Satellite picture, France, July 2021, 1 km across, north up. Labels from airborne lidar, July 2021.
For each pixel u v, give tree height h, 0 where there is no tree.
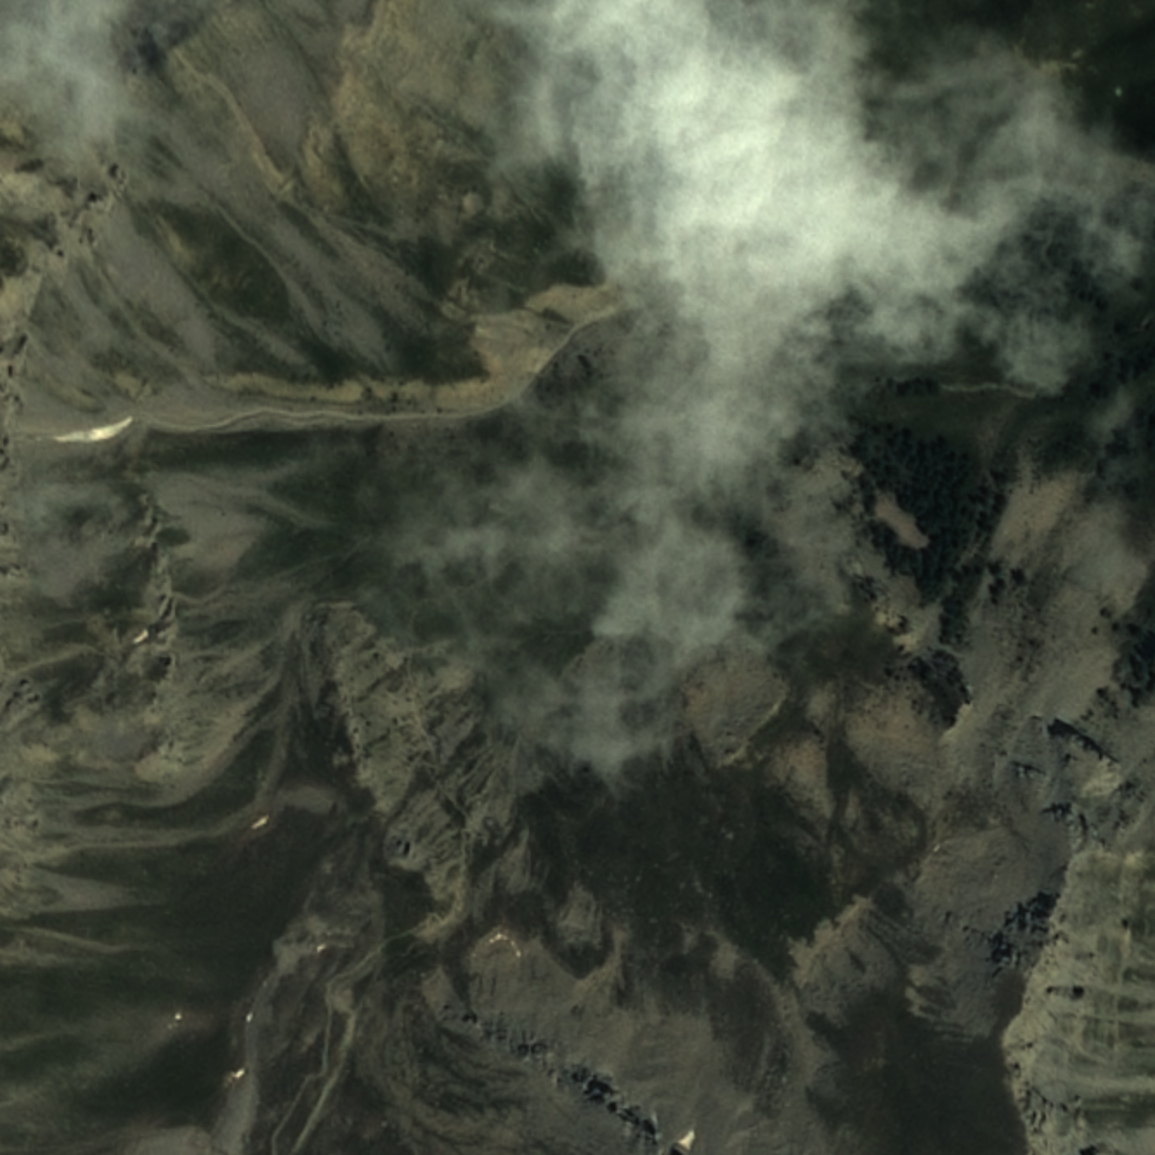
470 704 0
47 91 0
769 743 0
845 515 7
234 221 0
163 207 0
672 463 0
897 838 0
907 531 0
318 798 0
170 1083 0
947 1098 0
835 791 0
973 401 0
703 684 0
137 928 0
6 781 0
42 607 0
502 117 0
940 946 0
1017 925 0
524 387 0
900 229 0
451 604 0
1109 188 0
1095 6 0
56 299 0
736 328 8
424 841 0
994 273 23
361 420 0
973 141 0
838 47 0
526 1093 0
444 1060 0
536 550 0
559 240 0
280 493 0
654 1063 0
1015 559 0
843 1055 0
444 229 0
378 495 0
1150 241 19
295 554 0
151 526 0
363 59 0
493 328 0
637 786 0
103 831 0
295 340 0
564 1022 0
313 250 0
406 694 0
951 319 0
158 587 0
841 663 0
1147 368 14
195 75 0
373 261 0
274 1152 0
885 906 0
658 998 0
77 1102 0
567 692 0
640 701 0
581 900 0
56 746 0
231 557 0
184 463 0
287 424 0
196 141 0
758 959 0
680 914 0
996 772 0
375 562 0
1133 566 0
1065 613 0
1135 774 0
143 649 0
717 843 0
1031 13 0
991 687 0
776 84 0
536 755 0
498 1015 0
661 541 0
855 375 0
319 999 0
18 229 0
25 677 0
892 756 0
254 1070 0
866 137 0
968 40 0
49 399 0
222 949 0
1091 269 20
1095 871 0
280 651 0
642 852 0
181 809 0
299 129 0
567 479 0
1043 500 0
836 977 0
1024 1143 0
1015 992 0
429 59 0
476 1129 0
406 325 0
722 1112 0
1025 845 0
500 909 0
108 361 0
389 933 0
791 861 0
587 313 0
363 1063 0
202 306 0
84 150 0
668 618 0
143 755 0
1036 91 0
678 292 0
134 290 0
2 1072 0
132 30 0
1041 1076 0
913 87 0
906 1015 0
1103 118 0
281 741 0
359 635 0
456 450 0
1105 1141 0
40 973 0
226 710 0
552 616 0
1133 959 0
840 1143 0
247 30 0
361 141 0
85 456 0
